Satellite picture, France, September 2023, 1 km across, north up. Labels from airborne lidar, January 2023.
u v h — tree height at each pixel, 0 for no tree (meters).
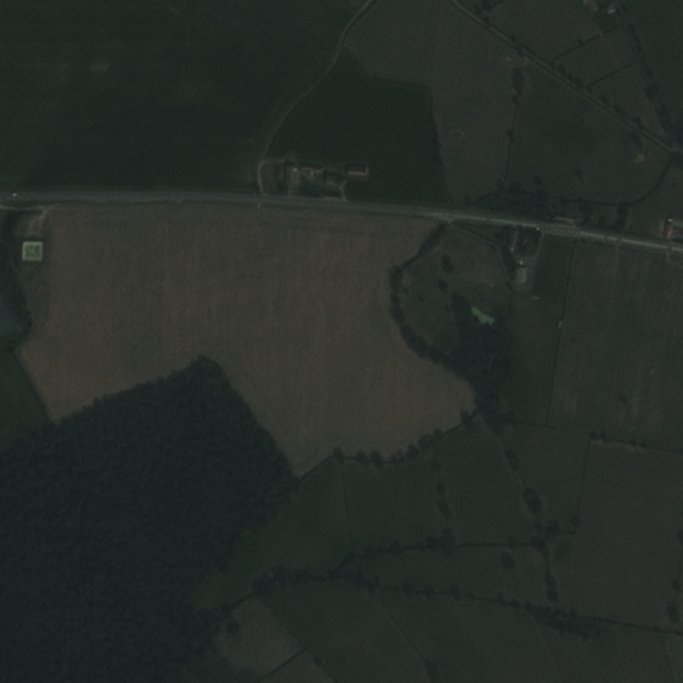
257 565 0
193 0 0
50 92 0
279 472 23
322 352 0
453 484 0
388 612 0
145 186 0
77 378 0
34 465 10
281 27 0
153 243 0
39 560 21
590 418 0
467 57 0
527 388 0
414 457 11
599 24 0
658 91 13
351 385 0
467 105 0
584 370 0
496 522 0
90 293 0
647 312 0
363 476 0
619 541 0
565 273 0
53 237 0
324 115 0
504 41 0
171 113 0
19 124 0
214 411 21
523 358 0
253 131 0
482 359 23
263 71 0
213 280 0
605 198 0
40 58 0
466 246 0
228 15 0
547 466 0
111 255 0
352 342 0
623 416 0
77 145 0
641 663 0
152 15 0
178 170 0
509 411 0
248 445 25
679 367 0
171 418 19
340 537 0
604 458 0
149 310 0
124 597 12
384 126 0
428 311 0
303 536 0
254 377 0
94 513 15
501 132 0
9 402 0
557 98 0
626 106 0
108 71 0
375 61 0
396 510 0
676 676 0
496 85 0
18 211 0
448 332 0
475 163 0
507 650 0
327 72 0
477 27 0
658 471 0
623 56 0
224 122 0
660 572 0
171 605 20
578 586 0
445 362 16
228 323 0
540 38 0
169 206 0
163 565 19
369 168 0
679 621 0
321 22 0
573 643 0
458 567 0
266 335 0
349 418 0
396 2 0
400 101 0
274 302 0
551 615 8
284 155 0
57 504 23
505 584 0
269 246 0
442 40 0
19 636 20
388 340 0
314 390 0
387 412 0
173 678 19
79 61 0
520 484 0
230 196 0
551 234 0
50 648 20
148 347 0
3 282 8
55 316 0
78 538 21
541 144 0
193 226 0
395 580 0
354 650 0
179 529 20
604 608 0
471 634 0
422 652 0
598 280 0
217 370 14
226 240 0
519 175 0
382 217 0
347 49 0
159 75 0
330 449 0
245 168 0
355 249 0
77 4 0
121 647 16
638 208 0
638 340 0
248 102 0
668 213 0
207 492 18
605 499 0
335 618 0
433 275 0
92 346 0
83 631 11
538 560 0
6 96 0
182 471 20
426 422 0
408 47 0
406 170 0
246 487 20
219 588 0
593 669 0
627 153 0
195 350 0
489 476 0
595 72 0
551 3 0
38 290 0
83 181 0
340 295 0
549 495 0
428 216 0
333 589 0
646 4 0
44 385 0
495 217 0
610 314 0
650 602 0
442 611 0
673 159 12
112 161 0
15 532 14
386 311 0
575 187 0
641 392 0
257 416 0
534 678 0
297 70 0
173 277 0
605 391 0
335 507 0
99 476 20
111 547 20
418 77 0
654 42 0
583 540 0
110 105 0
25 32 0
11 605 23
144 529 19
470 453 0
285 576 17
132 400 14
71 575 22
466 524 0
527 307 0
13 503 22
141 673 17
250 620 0
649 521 0
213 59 0
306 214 0
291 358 0
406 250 0
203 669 0
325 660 0
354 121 0
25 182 0
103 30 0
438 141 12
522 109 0
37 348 0
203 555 21
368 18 0
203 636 11
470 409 0
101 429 17
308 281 0
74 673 19
